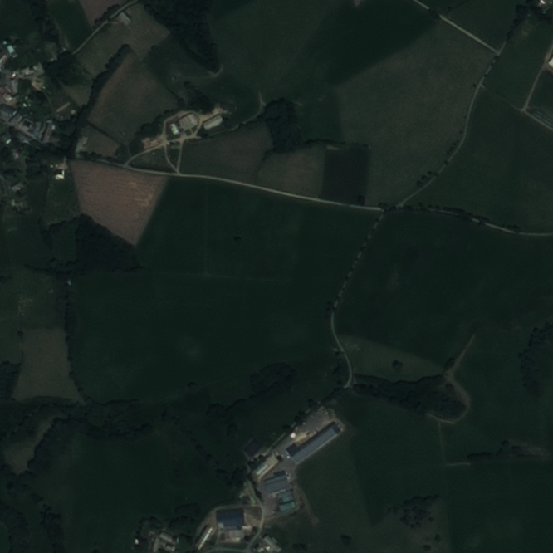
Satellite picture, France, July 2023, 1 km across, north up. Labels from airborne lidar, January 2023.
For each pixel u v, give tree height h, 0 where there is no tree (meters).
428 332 0
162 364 0
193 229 0
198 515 11
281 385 11
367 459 0
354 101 0
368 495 0
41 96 15
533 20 0
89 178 0
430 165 0
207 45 8
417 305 0
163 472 0
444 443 0
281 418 0
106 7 0
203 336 0
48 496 0
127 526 0
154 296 0
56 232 16
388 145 0
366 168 0
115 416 14
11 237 0
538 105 0
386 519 0
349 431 0
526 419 0
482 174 0
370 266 0
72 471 0
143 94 0
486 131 0
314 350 0
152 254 0
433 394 12
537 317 0
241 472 16
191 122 0
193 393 13
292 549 0
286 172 0
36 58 0
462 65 0
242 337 0
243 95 0
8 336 0
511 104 0
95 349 0
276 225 0
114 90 0
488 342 0
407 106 0
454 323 0
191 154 0
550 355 0
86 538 0
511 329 0
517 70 0
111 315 0
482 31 0
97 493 0
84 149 0
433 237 0
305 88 0
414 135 0
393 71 0
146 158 0
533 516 0
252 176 0
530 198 0
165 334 0
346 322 0
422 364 0
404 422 0
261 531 0
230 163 0
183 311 0
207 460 16
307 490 0
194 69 0
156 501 0
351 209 0
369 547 0
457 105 0
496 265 0
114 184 0
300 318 0
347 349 0
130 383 0
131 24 0
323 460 0
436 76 0
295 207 0
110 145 0
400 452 0
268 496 0
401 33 0
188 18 7
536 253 0
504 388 0
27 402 6
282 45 0
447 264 0
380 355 0
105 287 0
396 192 0
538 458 0
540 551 0
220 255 0
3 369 15
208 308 0
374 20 0
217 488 0
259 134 0
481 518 0
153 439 0
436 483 0
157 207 0
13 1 0
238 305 0
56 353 0
